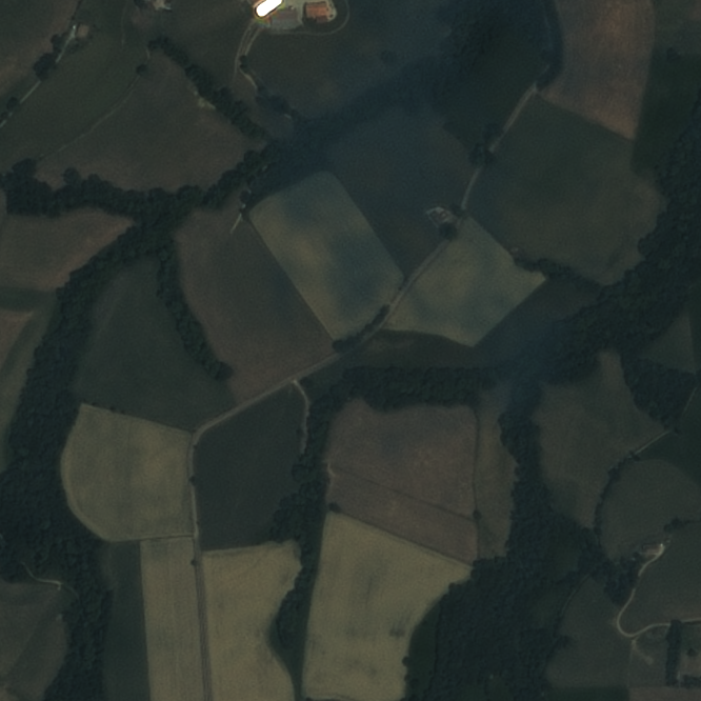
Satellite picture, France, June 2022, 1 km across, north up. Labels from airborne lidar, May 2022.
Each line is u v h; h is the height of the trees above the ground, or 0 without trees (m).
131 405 0
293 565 0
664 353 0
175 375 0
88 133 0
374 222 0
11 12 0
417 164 0
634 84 0
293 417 0
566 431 0
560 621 11
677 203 19
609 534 0
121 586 0
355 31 0
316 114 0
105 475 0
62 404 15
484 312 0
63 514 12
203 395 0
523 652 16
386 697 0
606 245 0
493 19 20
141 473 0
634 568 11
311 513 13
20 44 0
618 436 0
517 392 20
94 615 22
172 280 15
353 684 0
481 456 0
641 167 0
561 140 0
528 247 0
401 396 19
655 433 0
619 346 20
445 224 13
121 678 0
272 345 0
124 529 0
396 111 0
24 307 0
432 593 0
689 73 0
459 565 0
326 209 0
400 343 0
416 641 0
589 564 21
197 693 0
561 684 0
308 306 0
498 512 0
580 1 0
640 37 0
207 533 0
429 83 23
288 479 0
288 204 0
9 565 20
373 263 0
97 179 13
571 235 0
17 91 0
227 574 0
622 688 0
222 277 0
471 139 0
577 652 0
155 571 0
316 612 0
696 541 0
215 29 0
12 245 0
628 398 0
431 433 0
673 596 0
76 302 21
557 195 0
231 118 13
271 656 0
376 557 0
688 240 27
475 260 0
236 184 20
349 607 0
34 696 0
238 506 0
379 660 0
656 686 0
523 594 23
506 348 0
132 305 0
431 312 0
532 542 24
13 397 0
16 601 0
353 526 0
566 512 0
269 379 0
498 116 0
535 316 0
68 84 0
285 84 0
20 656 0
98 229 0
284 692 0
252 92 0
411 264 0
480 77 0
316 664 0
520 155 0
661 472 0
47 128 0
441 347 0
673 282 20
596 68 0
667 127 0
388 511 0
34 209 21
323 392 0
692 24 0
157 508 0
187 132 0
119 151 0
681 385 16
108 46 0
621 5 0
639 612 0
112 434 0
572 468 0
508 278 0
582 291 7
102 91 0
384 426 0
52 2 0
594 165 0
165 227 19
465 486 0
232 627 0
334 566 0
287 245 0
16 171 21
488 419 0
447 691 13
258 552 0
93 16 0
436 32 0
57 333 11
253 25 0
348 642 0
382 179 0
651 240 13
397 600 0
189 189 20
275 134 0
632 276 23
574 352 13
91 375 0
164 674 0
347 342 9
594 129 0
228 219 0
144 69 15
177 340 0
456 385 23
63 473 0
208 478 0
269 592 0
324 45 0
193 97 0
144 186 0
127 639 0
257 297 0
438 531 0
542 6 9
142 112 0
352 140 0
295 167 7
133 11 0
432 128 0
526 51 0
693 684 14
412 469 0
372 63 0
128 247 20
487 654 10
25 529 23
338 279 0
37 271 0
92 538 7
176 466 0
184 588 0
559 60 12
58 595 0
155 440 0
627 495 0
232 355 0
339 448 0
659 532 0
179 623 0
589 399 0
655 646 0
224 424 0
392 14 0
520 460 18
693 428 0
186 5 0
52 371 22
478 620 21
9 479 21
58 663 0
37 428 23
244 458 0
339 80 0
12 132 0
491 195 0
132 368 0
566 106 0
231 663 0
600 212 0
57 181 0
